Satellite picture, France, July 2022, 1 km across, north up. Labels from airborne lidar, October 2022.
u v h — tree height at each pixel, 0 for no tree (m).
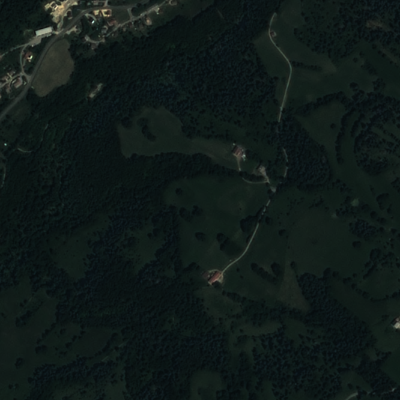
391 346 0
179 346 19
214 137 17
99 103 21
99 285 28
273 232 0
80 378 25
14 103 0
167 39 19
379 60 0
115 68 22
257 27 28
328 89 0
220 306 0
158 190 19
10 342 0
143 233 0
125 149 0
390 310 0
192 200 0
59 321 12
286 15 0
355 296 0
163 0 0
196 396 0
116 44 18
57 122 26
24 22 9
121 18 0
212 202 0
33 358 0
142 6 19
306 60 0
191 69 25
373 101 20
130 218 20
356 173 0
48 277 27
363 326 20
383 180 0
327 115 0
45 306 0
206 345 17
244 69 28
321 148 13
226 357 12
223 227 0
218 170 15
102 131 25
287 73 0
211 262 0
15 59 0
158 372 6
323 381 8
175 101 17
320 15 6
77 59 14
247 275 0
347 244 0
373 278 0
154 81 21
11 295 0
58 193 10
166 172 21
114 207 21
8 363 0
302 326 0
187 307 13
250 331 0
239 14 26
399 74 0
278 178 21
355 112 20
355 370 13
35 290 9
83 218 28
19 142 15
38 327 0
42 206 26
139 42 18
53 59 0
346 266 0
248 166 0
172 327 6
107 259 23
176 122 0
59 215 27
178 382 16
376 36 18
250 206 0
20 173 22
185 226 0
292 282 0
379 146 15
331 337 7
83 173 25
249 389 22
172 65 21
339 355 14
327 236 0
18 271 31
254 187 0
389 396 10
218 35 24
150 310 18
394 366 0
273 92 21
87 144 25
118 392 0
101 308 16
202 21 21
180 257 9
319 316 23
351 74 0
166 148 0
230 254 0
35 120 7
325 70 0
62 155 16
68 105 20
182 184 0
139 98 24
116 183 24
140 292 26
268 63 0
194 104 17
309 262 0
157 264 18
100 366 19
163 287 20
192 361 29
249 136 15
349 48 13
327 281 19
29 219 20
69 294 24
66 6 0
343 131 14
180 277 17
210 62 27
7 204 22
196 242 0
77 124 20
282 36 0
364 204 6
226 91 22
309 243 0
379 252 14
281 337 17
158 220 22
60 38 0
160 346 23
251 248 0
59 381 10
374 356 0
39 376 15
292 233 0
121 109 26
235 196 0
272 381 10
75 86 12
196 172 14
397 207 0
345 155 0
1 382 0
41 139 6
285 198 0
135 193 21
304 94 0
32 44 0
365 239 11
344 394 0
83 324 20
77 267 0
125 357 21
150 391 28
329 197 0
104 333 0
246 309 6
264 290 0
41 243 22
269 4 29
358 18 7
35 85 0
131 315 23
